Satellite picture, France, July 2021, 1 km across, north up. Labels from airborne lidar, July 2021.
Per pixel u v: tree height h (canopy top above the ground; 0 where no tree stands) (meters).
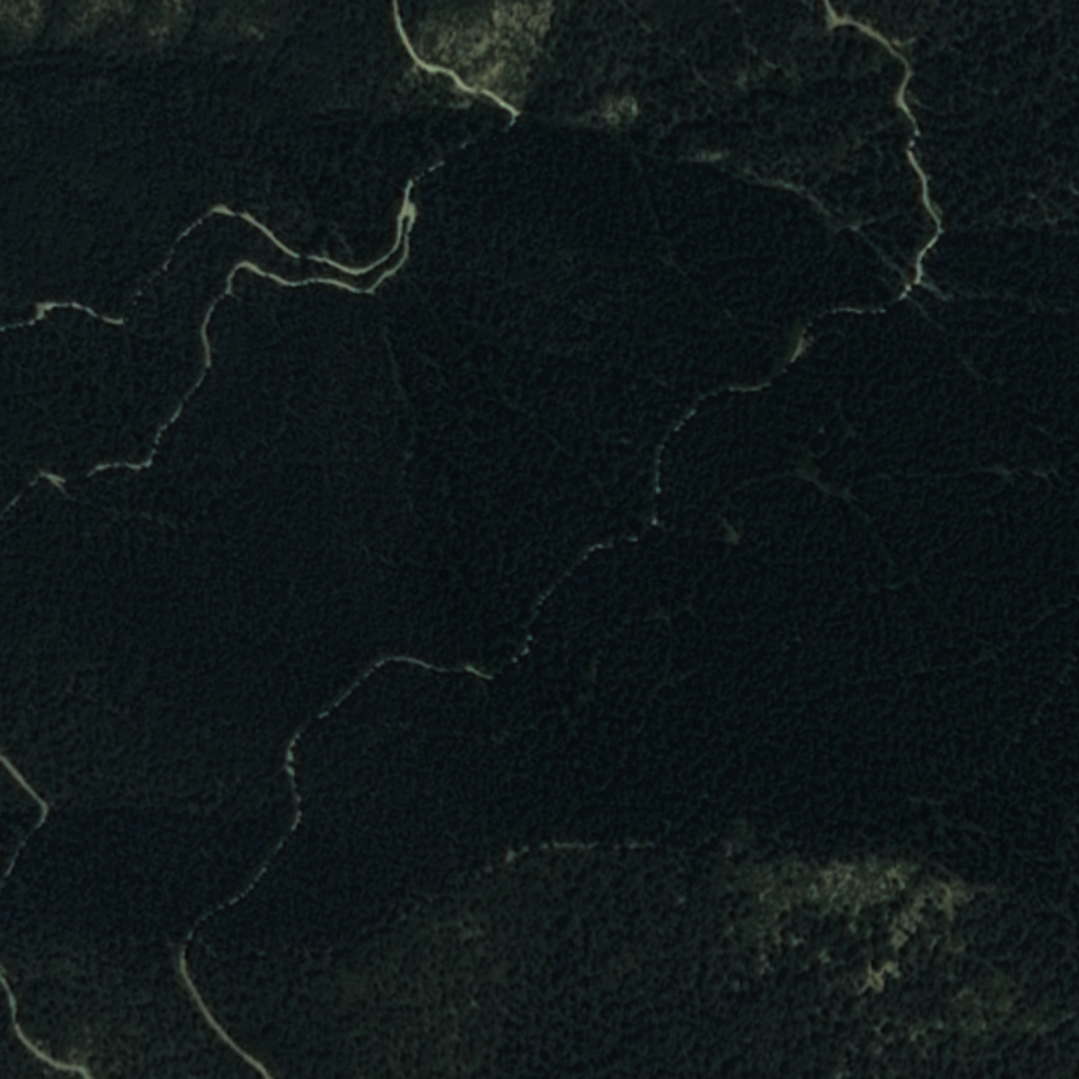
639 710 15
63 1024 7
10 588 10
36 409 11
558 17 10
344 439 12
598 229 16
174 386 12
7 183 10
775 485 12
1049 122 9
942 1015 6
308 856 10
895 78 6
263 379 14
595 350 12
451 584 24
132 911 17
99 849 14
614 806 15
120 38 9
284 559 15
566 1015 17
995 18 22
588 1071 18
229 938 6
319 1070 11
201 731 15
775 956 10
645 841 16
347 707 8
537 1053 18
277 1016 12
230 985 11
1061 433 21
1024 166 12
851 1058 13
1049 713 11
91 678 11
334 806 14
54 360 9
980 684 17
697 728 20
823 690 16
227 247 7
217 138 15
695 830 15
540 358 10
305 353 13
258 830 17
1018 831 12
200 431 8
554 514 22
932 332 7
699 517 17
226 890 9
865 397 11
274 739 12
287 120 12
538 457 21
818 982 17
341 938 14
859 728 18
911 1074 6
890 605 18
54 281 12
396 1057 12
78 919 13
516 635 28
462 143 14
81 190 13
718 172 8
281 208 11
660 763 15
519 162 15
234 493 16
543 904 14
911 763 18
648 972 12
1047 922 16
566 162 14
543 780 16
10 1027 12
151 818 8
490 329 10
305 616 12
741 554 15
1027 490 10
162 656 14
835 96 14
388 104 14
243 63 12
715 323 18
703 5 9
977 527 16
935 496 15
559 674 19
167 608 15
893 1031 10
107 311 15
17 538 12
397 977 11
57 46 9
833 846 12
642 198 17
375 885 14
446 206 9
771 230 18
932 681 15
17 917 12
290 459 9
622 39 10
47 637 13
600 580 14
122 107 8
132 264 7
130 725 11
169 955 14
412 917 11
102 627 14
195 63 13
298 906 13
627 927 9
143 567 12
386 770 12
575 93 15
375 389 13
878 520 7
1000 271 12
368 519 10
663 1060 14
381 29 8
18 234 11
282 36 12
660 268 14
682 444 10
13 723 12
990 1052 8
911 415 11
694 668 17
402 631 14
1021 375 18
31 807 7
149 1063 7
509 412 6
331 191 10
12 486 9
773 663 19
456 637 19
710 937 16
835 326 15
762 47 6
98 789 8
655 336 14
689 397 11
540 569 20
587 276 19
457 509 16
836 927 17
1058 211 17
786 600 12
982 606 19
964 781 20
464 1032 8
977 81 20
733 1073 16
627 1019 7
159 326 8
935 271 12
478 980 6
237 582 11
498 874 13
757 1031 13
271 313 10
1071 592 12
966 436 16
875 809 13
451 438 15
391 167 10
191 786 6
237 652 10
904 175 13
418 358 13
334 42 12
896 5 7
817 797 18
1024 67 16
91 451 13
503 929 9
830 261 21
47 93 9
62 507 14
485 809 12
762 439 18
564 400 22
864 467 6
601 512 20
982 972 8
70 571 12
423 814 14
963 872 10
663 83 11
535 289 18
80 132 10
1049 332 14
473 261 13
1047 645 16
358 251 10
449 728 15
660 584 7
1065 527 16
